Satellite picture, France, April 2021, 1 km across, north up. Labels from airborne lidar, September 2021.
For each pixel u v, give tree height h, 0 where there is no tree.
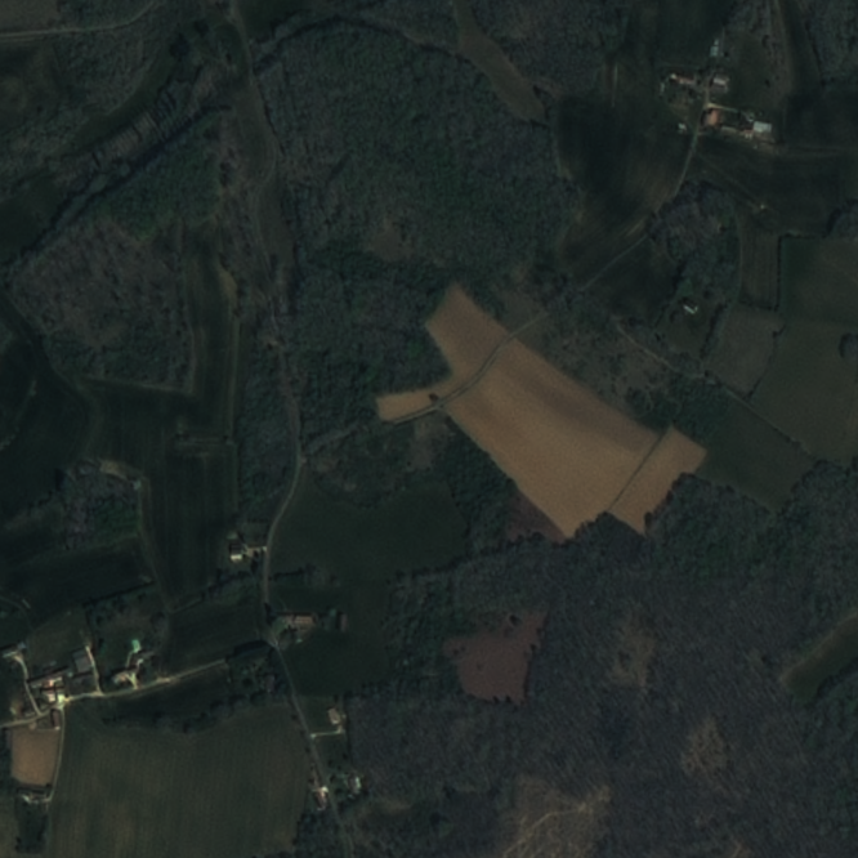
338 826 9
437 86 23
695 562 21
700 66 0
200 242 0
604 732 21
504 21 14
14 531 0
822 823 22
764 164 0
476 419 0
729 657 18
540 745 21
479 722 19
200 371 0
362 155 20
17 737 0
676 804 21
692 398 10
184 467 0
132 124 16
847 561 20
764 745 23
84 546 17
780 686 17
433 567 0
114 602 9
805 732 19
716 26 0
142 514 14
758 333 0
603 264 0
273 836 0
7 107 0
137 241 21
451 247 19
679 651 21
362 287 21
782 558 17
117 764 0
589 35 19
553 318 11
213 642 0
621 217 0
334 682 0
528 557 18
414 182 20
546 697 22
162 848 0
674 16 0
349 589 0
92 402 0
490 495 11
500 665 0
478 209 23
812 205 0
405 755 19
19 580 0
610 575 17
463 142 20
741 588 17
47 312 17
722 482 0
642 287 0
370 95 16
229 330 0
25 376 0
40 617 0
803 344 0
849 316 0
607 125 0
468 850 14
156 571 0
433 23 22
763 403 0
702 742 19
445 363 20
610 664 20
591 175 0
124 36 17
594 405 0
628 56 0
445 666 6
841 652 0
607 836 20
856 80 7
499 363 0
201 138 21
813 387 0
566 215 23
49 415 0
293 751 0
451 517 0
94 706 10
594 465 0
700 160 0
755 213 0
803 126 0
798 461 0
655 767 20
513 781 21
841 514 19
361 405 13
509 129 20
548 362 0
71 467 0
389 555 0
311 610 0
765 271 0
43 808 11
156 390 0
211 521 0
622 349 6
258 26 0
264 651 16
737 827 22
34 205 0
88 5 11
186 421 0
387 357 21
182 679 0
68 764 0
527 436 0
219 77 24
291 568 0
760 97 0
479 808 13
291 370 11
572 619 20
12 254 0
